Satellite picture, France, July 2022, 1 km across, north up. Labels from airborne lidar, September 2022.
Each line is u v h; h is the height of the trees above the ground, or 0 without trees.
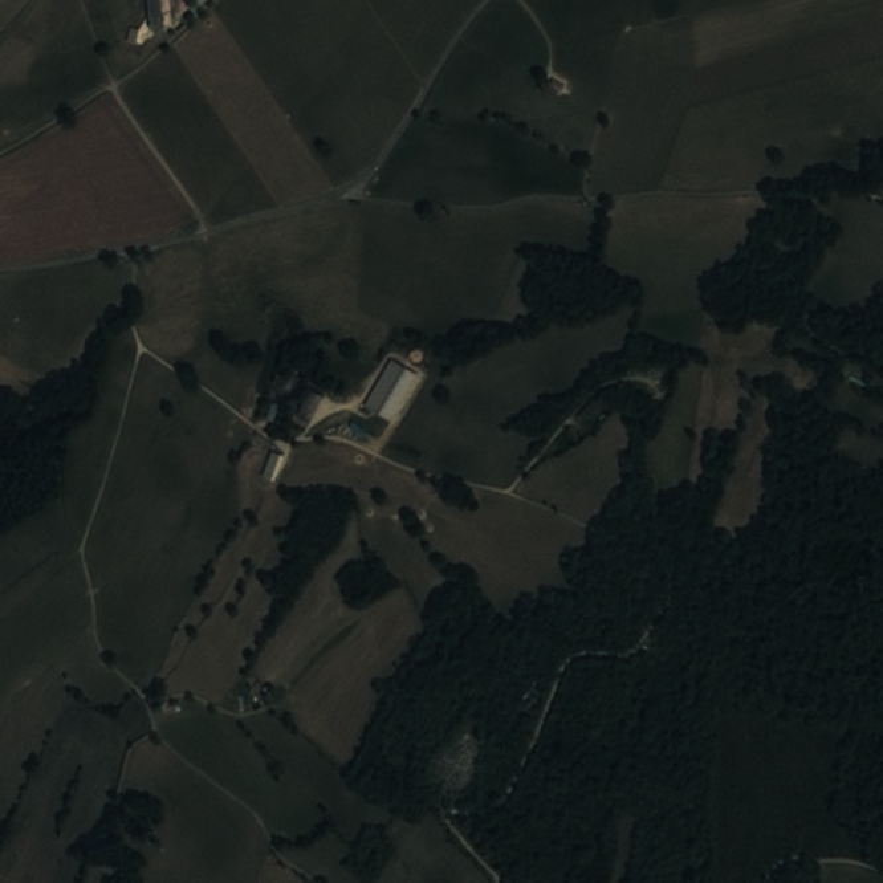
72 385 35
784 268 16
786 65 0
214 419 0
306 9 0
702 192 0
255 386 0
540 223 0
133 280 0
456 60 0
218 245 0
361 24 0
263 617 0
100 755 0
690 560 17
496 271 0
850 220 0
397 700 8
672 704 8
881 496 18
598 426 8
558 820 14
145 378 0
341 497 23
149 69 0
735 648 16
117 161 0
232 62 0
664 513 18
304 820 0
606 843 16
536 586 0
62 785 0
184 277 0
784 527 17
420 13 0
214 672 0
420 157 0
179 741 0
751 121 0
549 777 18
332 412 0
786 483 20
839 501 17
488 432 0
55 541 0
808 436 16
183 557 0
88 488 0
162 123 0
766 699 19
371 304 0
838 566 8
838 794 14
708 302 21
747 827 0
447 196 0
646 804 13
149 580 0
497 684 13
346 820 0
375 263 0
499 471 0
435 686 16
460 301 0
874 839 15
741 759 0
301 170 0
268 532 0
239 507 0
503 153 0
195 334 0
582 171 0
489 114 11
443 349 20
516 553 0
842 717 17
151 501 0
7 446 22
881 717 13
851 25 0
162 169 0
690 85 0
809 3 0
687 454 0
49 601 0
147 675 0
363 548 9
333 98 0
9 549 0
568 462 0
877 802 21
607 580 18
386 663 0
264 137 0
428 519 0
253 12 0
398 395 0
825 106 0
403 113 0
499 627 21
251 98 0
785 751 0
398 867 0
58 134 0
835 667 18
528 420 11
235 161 0
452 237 0
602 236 22
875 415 0
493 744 7
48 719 0
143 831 16
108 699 0
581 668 10
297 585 16
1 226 0
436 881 0
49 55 0
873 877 0
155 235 0
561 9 0
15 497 16
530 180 0
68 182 0
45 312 0
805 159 0
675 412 0
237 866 0
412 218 0
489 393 0
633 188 0
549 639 15
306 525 15
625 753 9
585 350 0
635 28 0
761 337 0
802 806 0
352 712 0
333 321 0
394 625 0
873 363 16
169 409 14
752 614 17
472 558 0
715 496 19
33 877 0
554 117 0
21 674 0
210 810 0
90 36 0
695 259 0
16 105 0
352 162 0
